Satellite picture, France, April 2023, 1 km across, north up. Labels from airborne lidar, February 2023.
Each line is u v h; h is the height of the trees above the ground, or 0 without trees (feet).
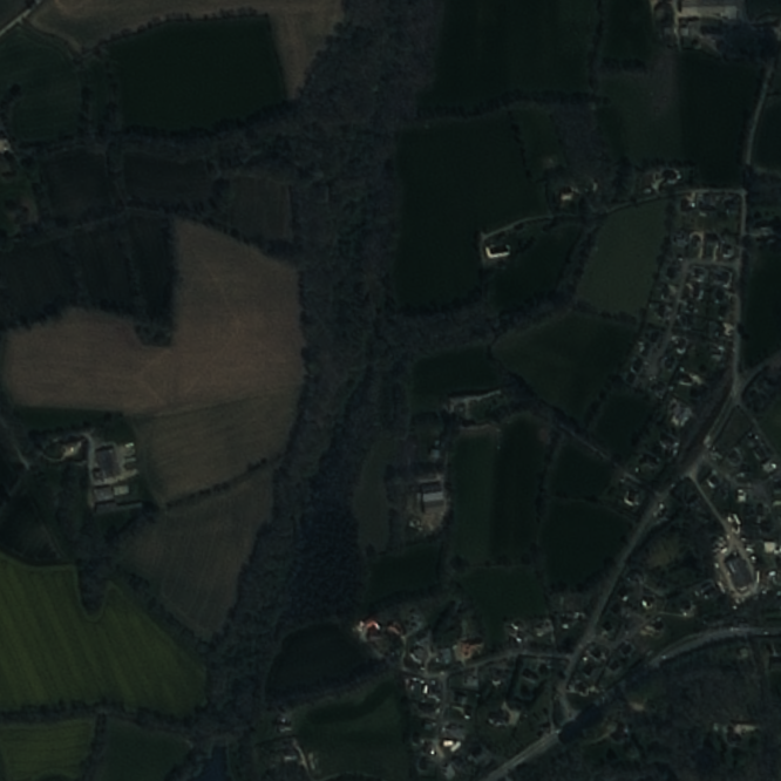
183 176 0
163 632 0
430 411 0
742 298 41
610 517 0
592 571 0
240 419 0
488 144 0
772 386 46
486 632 32
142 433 0
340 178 57
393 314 64
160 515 36
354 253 45
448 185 0
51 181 0
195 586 0
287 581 47
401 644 26
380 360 65
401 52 77
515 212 0
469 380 0
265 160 76
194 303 0
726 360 42
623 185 56
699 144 0
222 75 0
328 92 59
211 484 0
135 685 0
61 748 0
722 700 64
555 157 0
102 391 0
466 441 0
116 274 0
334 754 0
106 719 25
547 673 39
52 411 0
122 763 0
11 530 0
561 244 0
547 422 46
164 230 60
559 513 0
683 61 0
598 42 38
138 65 0
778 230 69
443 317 51
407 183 0
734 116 0
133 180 0
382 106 74
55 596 0
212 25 0
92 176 0
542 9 0
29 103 0
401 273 0
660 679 66
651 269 0
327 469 70
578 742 30
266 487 0
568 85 0
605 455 57
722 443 0
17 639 0
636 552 27
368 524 0
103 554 43
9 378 0
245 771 50
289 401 0
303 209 81
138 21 0
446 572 49
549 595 39
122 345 0
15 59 0
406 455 0
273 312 0
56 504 25
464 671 38
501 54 0
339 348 92
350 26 33
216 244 0
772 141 0
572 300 27
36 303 0
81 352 0
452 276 0
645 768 63
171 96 0
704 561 30
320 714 0
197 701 0
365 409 78
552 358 0
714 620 23
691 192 0
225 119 0
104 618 0
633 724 55
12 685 0
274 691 0
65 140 48
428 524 0
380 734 0
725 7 0
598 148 65
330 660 0
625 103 0
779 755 91
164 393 0
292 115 77
